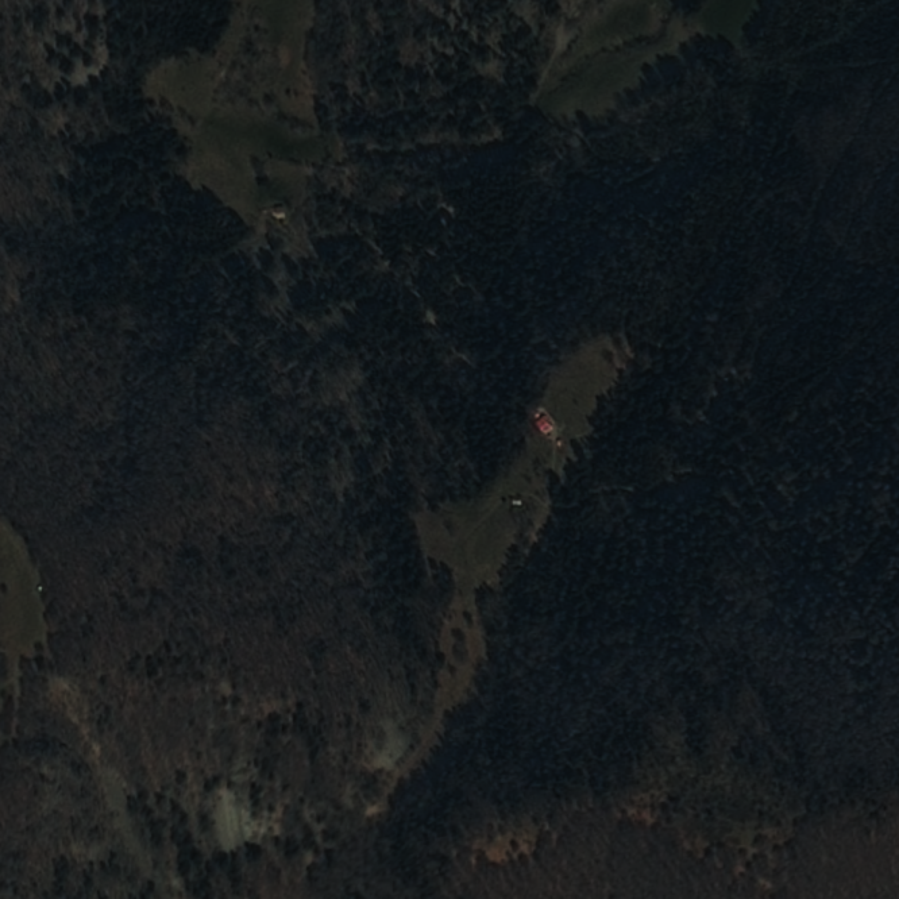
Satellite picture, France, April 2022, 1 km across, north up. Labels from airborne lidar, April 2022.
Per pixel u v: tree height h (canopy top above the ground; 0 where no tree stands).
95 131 25
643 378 33
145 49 18
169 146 19
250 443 22
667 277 22
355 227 34
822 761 17
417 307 28
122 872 18
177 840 21
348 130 29
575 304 29
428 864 9
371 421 33
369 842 17
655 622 22
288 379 26
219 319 19
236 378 22
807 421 13
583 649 10
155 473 21
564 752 10
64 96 33
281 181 0
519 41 15
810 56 14
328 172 14
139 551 18
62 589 13
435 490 21
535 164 29
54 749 10
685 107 15
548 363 22
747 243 16
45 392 20
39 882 19
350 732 20
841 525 30
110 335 24
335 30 28
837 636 26
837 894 16
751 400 15
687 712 7
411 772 0
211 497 23
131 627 15
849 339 17
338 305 15
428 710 23
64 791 6
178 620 16
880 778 8
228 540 19
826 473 22
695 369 30
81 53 17
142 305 26
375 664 28
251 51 9
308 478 29
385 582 27
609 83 0
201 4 18
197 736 12
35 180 26
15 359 29
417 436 25
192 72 0
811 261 15
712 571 22
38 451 22
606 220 33
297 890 20
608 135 18
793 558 9
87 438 19
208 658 12
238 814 0
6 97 17
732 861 14
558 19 9
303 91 6
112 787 0
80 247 31
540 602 28
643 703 17
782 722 18
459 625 0
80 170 23
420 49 7
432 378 22
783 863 12
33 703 12
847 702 26
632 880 15
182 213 22
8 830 16
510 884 15
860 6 14
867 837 13
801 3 14
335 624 26
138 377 23
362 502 29
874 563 13
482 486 16
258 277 20
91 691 12
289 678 16
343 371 21
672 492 8
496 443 19
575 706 16
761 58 15
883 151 18
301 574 20
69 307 22
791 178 20
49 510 15
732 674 12
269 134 0
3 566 0
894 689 24
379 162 23
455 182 32
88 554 17
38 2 19
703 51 10
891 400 13
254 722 16
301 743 11
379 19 9
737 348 16
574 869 19
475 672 13
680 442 24
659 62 0
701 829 0
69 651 12
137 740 22
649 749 9
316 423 16
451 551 0
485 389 29
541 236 7
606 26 0
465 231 25
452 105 20
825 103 14
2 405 11
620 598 22
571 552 25
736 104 15
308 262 6
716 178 17
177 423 20
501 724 26
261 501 28
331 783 14
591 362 0
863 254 18
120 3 24
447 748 0
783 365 15
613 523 21
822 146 19
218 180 0
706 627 22
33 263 30
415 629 30
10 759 10
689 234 30
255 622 18
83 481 17
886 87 11
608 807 13
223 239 21
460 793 13
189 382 23
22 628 0
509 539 0
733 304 18
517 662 20
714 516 28
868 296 16
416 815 17
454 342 26
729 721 13
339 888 21
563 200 25
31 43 30
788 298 17
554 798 9
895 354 17
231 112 0
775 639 25
